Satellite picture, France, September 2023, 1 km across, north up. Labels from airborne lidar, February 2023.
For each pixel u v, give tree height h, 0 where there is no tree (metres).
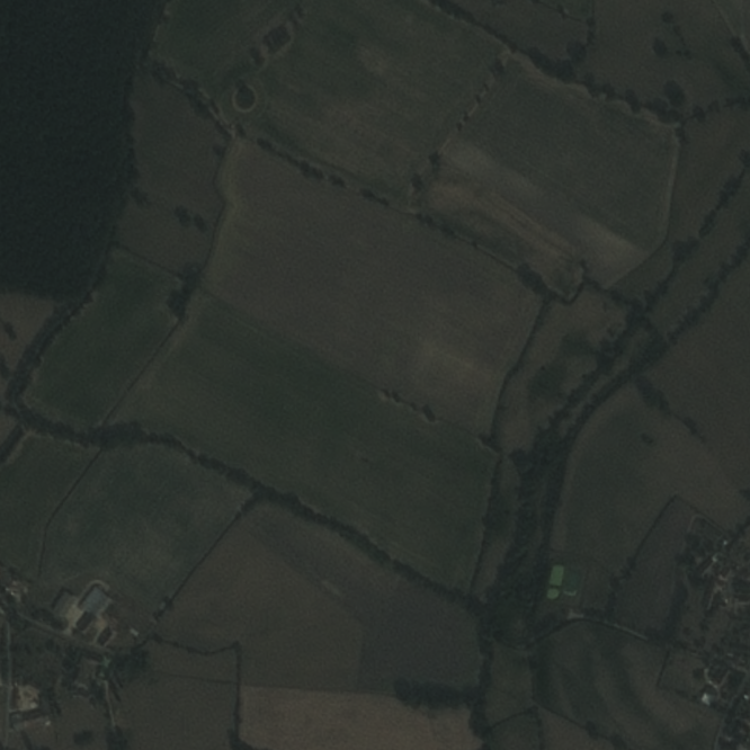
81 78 26
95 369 0
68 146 26
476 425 0
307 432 0
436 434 0
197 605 0
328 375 0
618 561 0
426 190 0
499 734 0
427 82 0
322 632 0
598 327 0
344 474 0
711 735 0
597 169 0
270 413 0
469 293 0
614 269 0
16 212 23
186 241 0
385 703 0
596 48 0
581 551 0
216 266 0
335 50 0
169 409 0
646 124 0
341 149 0
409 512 0
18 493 0
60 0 24
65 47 25
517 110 0
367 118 0
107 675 0
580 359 0
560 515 0
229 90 0
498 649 0
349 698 0
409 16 0
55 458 0
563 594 0
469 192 0
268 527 0
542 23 0
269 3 0
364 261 0
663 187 0
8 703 0
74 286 23
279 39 15
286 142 0
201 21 0
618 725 0
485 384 0
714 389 0
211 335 0
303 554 0
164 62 0
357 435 0
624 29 0
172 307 12
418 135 0
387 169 0
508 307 0
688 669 0
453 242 0
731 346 0
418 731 0
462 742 0
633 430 0
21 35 23
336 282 0
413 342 0
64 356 0
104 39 26
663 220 0
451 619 0
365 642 0
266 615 0
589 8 0
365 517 0
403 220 0
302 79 0
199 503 0
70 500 0
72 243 26
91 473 0
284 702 0
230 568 0
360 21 0
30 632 0
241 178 0
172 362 0
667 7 0
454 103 0
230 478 12
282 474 0
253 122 0
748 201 0
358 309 0
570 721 0
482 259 0
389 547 0
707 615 8
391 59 0
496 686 0
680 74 0
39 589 0
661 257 0
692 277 0
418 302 0
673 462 0
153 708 0
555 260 0
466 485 0
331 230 0
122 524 0
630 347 0
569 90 0
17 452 0
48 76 24
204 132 0
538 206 0
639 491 0
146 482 0
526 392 0
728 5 0
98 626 0
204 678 0
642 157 0
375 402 0
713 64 0
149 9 23
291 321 0
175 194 0
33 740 0
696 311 6
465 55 0
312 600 0
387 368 0
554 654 0
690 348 0
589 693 0
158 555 0
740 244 0
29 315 0
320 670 0
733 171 0
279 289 0
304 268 0
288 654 0
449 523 0
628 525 0
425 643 0
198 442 0
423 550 0
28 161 27
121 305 0
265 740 0
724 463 0
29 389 0
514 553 8
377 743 0
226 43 0
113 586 0
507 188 0
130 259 0
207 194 0
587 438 0
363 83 0
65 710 0
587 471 0
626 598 0
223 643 0
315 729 0
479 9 0
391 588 0
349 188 0
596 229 0
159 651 0
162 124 0
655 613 0
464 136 0
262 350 0
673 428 0
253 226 0
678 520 0
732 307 0
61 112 27
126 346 0
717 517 0
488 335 0
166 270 0
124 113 27
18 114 29
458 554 0
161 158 0
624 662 0
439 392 0
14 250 26
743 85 0
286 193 0
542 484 0
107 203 21
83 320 0
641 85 0
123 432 16
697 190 0
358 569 0
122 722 0
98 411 0
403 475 0
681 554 0
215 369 0
